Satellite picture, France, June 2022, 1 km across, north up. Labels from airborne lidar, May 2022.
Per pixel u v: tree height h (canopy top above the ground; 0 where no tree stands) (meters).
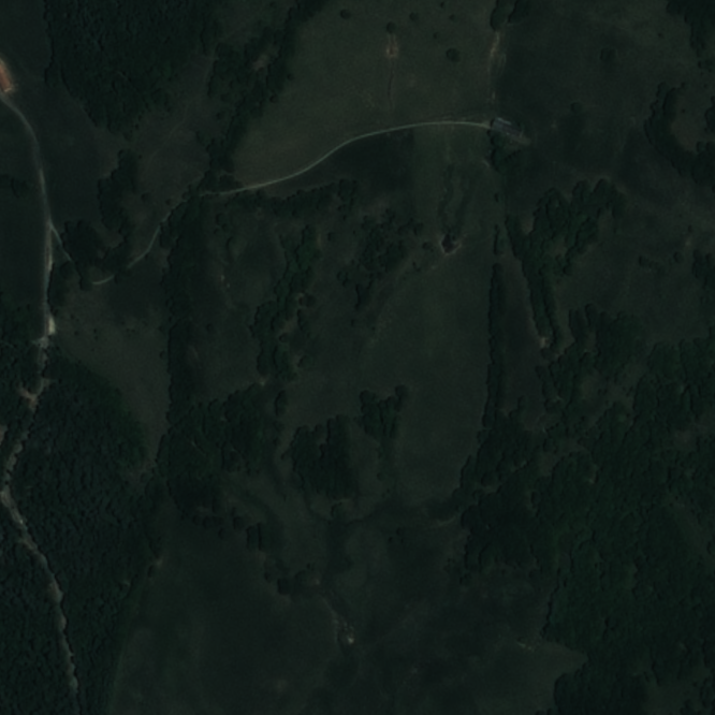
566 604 11
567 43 0
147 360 0
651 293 0
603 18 0
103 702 17
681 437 0
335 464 10
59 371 18
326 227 0
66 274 13
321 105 0
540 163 0
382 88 0
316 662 0
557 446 9
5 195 0
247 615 0
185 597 0
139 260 0
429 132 0
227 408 13
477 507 8
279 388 0
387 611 0
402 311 0
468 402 0
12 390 17
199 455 14
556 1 0
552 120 0
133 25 14
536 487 10
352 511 0
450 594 0
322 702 0
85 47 10
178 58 13
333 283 0
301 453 15
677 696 0
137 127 10
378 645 0
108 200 14
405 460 0
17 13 0
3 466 13
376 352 0
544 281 15
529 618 0
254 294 0
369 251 9
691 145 0
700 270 14
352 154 0
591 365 12
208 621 0
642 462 13
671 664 16
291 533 0
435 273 0
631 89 0
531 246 8
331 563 0
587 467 11
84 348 0
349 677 0
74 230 12
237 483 0
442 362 0
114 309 0
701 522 8
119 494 10
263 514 0
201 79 0
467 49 0
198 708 0
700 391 10
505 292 12
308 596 0
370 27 0
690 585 14
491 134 15
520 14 10
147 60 10
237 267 0
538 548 13
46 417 15
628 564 14
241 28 0
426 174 0
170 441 11
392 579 0
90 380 15
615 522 14
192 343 9
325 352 0
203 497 12
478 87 0
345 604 0
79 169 0
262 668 0
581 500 13
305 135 0
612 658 13
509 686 0
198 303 0
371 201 0
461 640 0
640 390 10
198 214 12
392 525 0
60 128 0
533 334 0
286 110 0
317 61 0
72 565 19
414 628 0
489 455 14
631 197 0
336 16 0
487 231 0
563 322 0
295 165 0
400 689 0
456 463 0
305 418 0
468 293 0
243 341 0
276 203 15
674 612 17
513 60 0
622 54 0
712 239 0
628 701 11
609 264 0
